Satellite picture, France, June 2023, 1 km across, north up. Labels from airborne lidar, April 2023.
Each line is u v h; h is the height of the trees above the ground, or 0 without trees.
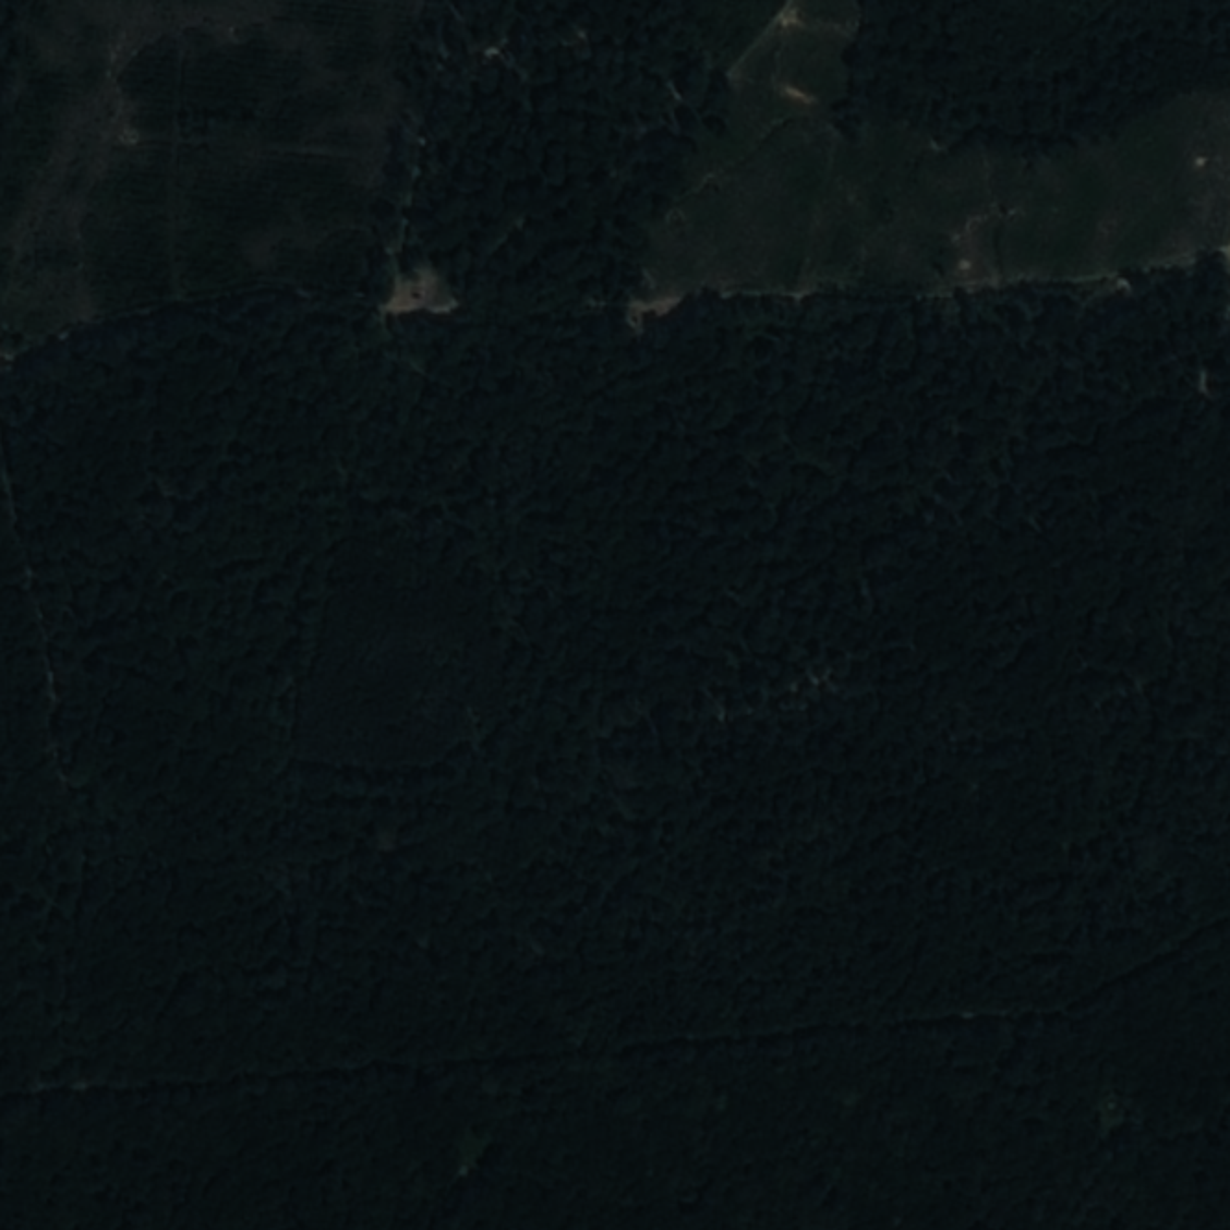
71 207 0
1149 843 22
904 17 19
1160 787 21
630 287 18
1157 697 14
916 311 21
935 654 25
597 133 24
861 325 18
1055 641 21
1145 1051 19
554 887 19
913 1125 22
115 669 21
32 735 18
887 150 0
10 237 0
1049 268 0
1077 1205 24
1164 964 16
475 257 18
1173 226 0
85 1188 22
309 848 20
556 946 20
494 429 19
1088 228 0
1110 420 19
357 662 14
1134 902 16
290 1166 19
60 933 22
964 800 13
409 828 22
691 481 27
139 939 25
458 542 24
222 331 19
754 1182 23
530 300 20
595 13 23
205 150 10
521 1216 19
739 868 21
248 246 0
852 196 0
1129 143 0
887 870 18
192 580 21
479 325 18
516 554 21
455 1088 21
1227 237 0
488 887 23
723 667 25
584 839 17
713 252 0
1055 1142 21
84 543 23
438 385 26
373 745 15
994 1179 25
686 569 21
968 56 16
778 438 15
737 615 23
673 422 24
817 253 0
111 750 23
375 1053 11
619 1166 25
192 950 24
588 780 22
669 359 24
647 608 22
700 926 19
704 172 0
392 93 0
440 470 23
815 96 0
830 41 0
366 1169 24
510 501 20
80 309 0
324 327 18
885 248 0
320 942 21
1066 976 21
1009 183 0
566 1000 16
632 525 21
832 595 22
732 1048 16
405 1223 19
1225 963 19
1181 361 23
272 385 23
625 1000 21
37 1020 20
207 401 21
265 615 26
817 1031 16
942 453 21
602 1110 22
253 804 22
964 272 0
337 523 23
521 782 21
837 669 17
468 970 22
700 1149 24
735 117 0
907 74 18
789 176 0
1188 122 0
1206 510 20
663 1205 25
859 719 20
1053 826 20
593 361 19
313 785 20
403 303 0
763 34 0
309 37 0
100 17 0
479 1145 0
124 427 22
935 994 15
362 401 23
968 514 23
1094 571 19
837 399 26
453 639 7
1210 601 22
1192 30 23
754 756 18
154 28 0
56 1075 19
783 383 26
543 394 21
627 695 23
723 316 20
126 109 0
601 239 25
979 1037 23
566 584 23
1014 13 15
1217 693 17
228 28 0
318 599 14
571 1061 19
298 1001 22
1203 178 0
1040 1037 23
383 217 21
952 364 24
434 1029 18
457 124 20
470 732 12
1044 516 21
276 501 21
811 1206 23
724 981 20
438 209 22
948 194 0
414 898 24
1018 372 25
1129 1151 23
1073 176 0
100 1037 21
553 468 23
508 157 22
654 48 24
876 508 18
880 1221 22
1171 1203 25
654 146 23
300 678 20
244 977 19
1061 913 21
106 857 22
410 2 0
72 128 0
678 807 20
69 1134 22
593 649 22
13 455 22
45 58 0
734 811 18
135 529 26
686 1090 23
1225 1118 24
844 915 20
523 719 21
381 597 16
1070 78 22
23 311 0
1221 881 20
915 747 19
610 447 24
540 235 19
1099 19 14
